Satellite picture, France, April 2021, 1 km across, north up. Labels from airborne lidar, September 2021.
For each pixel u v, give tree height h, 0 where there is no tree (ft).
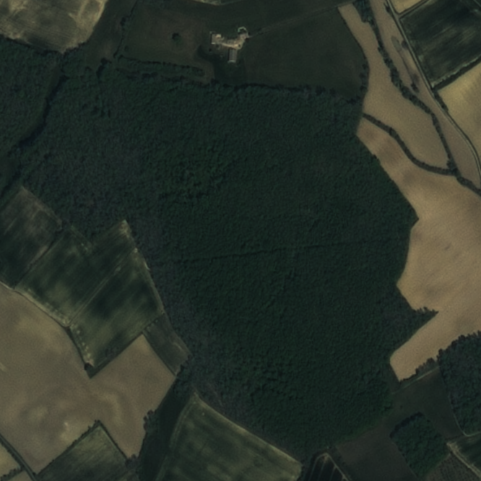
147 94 67
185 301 61
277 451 0
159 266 40
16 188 63
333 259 72
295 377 71
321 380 73
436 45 0
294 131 69
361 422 67
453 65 0
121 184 71
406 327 52
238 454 0
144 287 0
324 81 0
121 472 0
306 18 0
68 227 52
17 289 0
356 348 79
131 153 62
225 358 52
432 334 0
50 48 0
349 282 76
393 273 64
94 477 0
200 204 71
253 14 0
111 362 48
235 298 70
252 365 42
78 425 0
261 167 80
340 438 54
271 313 61
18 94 72
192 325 54
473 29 0
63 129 66
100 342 0
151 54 0
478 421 79
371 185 72
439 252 0
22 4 0
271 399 71
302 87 0
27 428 0
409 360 0
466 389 78
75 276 0
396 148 0
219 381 56
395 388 0
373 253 73
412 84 0
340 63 0
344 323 74
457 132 0
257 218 69
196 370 75
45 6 0
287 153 69
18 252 0
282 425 65
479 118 0
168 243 59
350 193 72
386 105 0
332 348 71
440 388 0
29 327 0
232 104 79
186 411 0
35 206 0
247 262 80
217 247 72
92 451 0
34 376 0
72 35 0
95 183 69
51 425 0
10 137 64
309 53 0
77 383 0
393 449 0
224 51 0
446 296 0
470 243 0
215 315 74
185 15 0
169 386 0
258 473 0
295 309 79
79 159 74
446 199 0
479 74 0
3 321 0
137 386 0
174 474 0
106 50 0
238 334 59
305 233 76
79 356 0
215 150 71
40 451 0
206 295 79
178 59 0
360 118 46
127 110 63
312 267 74
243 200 74
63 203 71
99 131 73
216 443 0
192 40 0
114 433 0
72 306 0
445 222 0
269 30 0
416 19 0
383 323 45
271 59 0
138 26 0
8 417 0
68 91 61
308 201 80
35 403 0
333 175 64
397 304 58
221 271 62
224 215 75
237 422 38
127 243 0
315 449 54
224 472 0
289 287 78
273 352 69
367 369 73
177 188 35
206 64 0
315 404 69
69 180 59
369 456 0
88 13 0
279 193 69
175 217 71
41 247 0
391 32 0
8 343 0
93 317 0
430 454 71
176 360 0
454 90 0
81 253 0
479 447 0
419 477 37
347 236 77
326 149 70
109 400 0
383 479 0
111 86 57
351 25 0
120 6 0
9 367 0
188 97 64
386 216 75
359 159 57
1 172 0
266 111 76
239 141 67
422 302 0
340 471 0
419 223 0
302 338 68
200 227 76
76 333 0
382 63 0
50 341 0
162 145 73
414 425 62
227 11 0
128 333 0
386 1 0
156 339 0
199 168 26
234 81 0
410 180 0
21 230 0
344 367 73
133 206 56
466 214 0
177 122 69
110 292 0
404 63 0
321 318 68
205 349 56
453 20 0
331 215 73
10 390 0
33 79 70
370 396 69
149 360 0
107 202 50
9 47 73
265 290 77
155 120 63
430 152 0
